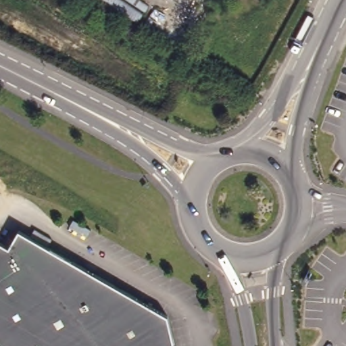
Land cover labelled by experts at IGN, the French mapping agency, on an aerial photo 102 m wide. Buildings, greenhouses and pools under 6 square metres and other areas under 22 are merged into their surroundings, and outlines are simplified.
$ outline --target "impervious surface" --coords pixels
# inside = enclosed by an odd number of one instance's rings
[[[203,0],[104,0],[107,4],[104,5],[103,12],[122,16],[127,14],[131,20],[139,20],[145,16],[151,23],[158,24],[169,32],[173,32],[185,19],[192,19],[193,16],[201,14],[204,9]]]
[[[0,246],[7,249],[15,235],[20,234],[36,245],[53,251],[70,264],[76,265],[77,268],[85,270],[86,273],[92,274],[105,284],[111,285],[124,295],[169,319],[174,346],[214,346],[212,338],[219,334],[218,322],[214,314],[200,307],[196,299],[196,287],[192,282],[184,284],[177,278],[166,276],[158,266],[150,265],[147,259],[138,257],[118,243],[109,241],[96,230],[86,230],[77,223],[57,226],[49,215],[31,201],[22,196],[11,195],[0,178]]]
[[[300,326],[318,331],[318,338],[311,346],[346,346],[346,251],[338,254],[331,246],[324,245],[319,251],[318,258],[312,259],[310,265],[301,268],[299,277],[304,278],[304,285],[301,287]]]
[[[162,193],[168,201],[174,228],[182,245],[197,262],[208,269],[207,277],[203,281],[218,274],[226,305],[231,346],[296,346],[296,328],[293,318],[293,291],[289,282],[293,262],[301,253],[310,249],[310,246],[327,237],[335,227],[346,228],[346,62],[339,76],[337,89],[324,114],[323,123],[315,122],[332,72],[346,47],[346,0],[310,0],[307,11],[297,20],[289,38],[288,46],[291,47],[291,51],[284,61],[276,61],[269,70],[276,76],[272,85],[269,89],[262,89],[259,92],[262,100],[246,115],[239,115],[238,123],[224,130],[226,134],[219,135],[219,138],[207,138],[199,132],[192,132],[191,128],[174,124],[169,122],[154,118],[141,108],[0,39],[0,86],[4,85],[8,91],[23,97],[24,100],[34,100],[43,111],[53,112],[59,118],[68,120],[78,130],[91,132],[101,141],[109,143],[134,159],[151,176],[145,180],[142,174],[126,172],[109,165],[62,141],[51,132],[32,126],[27,114],[20,116],[12,109],[0,105],[0,112],[77,157],[116,176],[139,181],[142,185],[149,182]],[[328,182],[319,181],[312,173],[310,142],[315,128],[327,132],[334,138],[332,150],[337,159],[331,166]],[[219,182],[237,172],[261,174],[268,178],[276,189],[280,207],[276,224],[272,231],[266,231],[259,237],[231,237],[218,226],[212,212],[212,196]]]

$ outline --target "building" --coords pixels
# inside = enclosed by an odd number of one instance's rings
[[[86,273],[85,270],[77,268],[76,265],[70,264],[53,251],[36,245],[20,234],[15,235],[7,249],[0,246],[0,346],[174,346],[169,319],[124,295],[111,285],[105,284],[92,274]]]

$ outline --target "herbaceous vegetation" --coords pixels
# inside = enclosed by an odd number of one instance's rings
[[[218,226],[231,237],[259,237],[266,231],[272,231],[276,224],[280,207],[276,189],[268,178],[261,174],[237,172],[219,182],[212,196],[212,212]]]
[[[312,173],[319,181],[328,182],[331,166],[337,159],[332,150],[334,138],[327,132],[315,128],[310,142]]]
[[[43,111],[34,100],[24,100],[23,97],[8,91],[4,85],[0,86],[0,105],[12,109],[20,116],[27,114],[32,126],[51,132],[62,141],[109,165],[126,172],[142,174],[145,180],[151,176],[134,159],[109,143],[101,141],[91,132],[78,130],[68,120],[59,118],[53,112]]]
[[[172,88],[172,97],[176,100],[168,114],[169,122],[174,124],[174,116],[180,116],[181,119],[200,127],[215,126],[216,118],[212,114],[212,109],[201,107],[200,100],[203,100],[203,96],[192,92],[193,85],[172,80],[166,73],[164,64],[157,64],[139,50],[131,50],[127,34],[115,41],[109,38],[105,30],[88,31],[88,23],[82,23],[81,18],[66,19],[64,11],[57,5],[57,0],[0,0],[0,20],[77,61],[100,65],[104,76],[114,78],[115,84],[120,88],[131,89],[135,95],[142,95],[147,101],[164,97],[169,86]]]
[[[258,78],[265,68],[278,39],[301,0],[228,0],[226,14],[220,14],[218,5],[211,14],[205,16],[203,22],[199,23],[197,35],[200,36],[200,45],[209,53],[220,55],[231,65],[255,78]]]
[[[219,334],[212,338],[214,346],[231,346],[226,305],[218,274],[203,281],[207,277],[208,269],[197,262],[182,245],[174,228],[168,201],[162,193],[149,182],[142,185],[139,181],[116,176],[77,157],[0,112],[0,178],[11,195],[22,196],[31,201],[49,215],[57,226],[77,223],[86,230],[96,230],[109,241],[118,243],[138,257],[147,259],[150,265],[158,266],[166,276],[177,278],[184,284],[192,282],[196,287],[196,299],[200,307],[214,314],[218,322]]]
[[[346,62],[346,47],[332,72],[315,122],[323,123],[324,114],[337,89],[339,76]]]
[[[318,338],[318,331],[300,326],[296,328],[296,346],[311,346]]]

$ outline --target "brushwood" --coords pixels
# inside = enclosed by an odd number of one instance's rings
[[[338,254],[346,251],[346,228],[335,227],[327,237],[310,246],[310,249],[301,253],[293,262],[289,282],[293,291],[293,318],[296,328],[300,326],[301,287],[304,285],[304,278],[299,277],[301,268],[310,265],[312,259],[318,258],[319,251],[324,245],[331,246]]]
[[[269,70],[276,61],[284,61],[291,51],[291,47],[288,46],[289,38],[297,20],[307,11],[310,0],[301,0],[278,39],[265,68],[258,78],[255,78],[231,65],[220,55],[209,53],[200,45],[200,36],[197,35],[199,23],[203,22],[205,16],[211,14],[218,5],[220,14],[226,14],[228,0],[203,0],[204,9],[201,14],[193,16],[192,19],[185,19],[173,32],[169,32],[158,24],[151,23],[145,16],[139,20],[131,20],[127,14],[122,16],[103,12],[104,5],[107,4],[104,0],[57,0],[57,5],[64,11],[66,19],[81,18],[82,23],[88,23],[88,31],[105,30],[109,38],[115,41],[127,34],[131,50],[139,50],[157,64],[164,64],[166,73],[172,80],[193,85],[192,92],[203,96],[203,100],[200,100],[201,107],[212,109],[212,114],[216,118],[215,126],[200,127],[181,119],[180,116],[174,116],[174,124],[191,128],[192,132],[199,132],[207,138],[219,138],[219,135],[226,134],[224,130],[238,123],[239,115],[246,115],[262,100],[259,92],[262,89],[269,89],[272,85],[276,76]]]
[[[142,95],[135,95],[131,89],[120,88],[115,84],[114,78],[104,76],[100,65],[77,61],[0,20],[0,39],[141,108],[154,118],[169,122],[168,114],[176,100],[172,97],[172,88],[169,86],[164,97],[147,101]]]

